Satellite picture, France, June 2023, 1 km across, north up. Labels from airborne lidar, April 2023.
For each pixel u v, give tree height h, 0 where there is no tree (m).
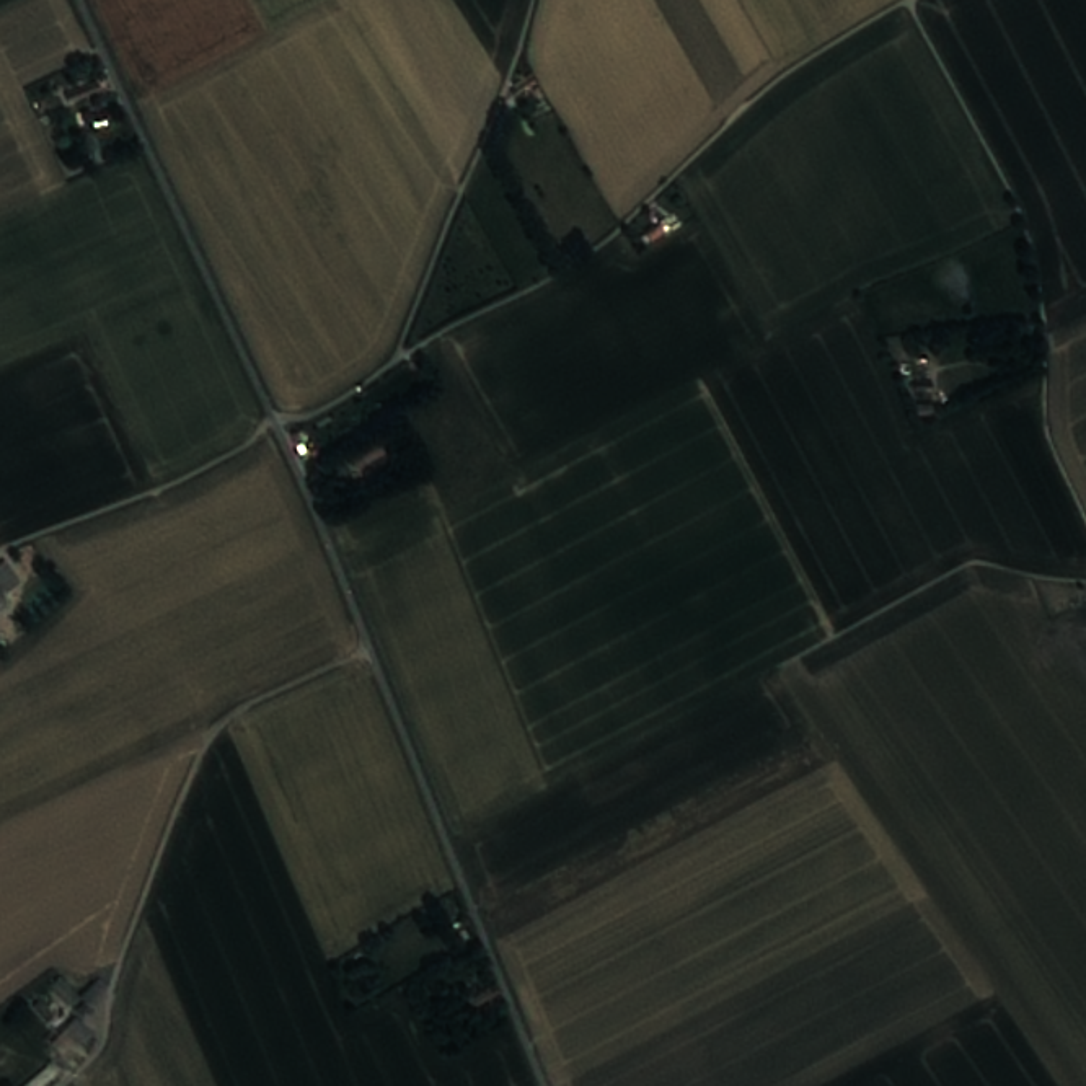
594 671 0
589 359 0
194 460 0
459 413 0
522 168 0
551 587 0
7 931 0
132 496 0
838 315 0
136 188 0
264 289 0
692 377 0
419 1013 13
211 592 0
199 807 0
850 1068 0
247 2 0
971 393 13
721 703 0
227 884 0
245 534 0
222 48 0
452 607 0
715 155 0
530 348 0
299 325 0
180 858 0
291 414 0
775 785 0
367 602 0
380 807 0
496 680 0
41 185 0
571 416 0
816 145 0
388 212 0
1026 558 0
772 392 0
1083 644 0
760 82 0
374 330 0
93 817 0
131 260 0
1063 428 0
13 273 0
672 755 0
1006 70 0
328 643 0
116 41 0
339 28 0
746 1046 0
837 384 0
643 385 0
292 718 0
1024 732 0
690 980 0
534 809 0
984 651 0
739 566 0
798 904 0
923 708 0
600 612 0
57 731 0
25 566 0
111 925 0
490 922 0
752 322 0
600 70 0
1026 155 0
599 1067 0
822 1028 0
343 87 0
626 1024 0
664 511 0
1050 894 0
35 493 0
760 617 0
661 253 0
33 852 0
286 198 0
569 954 0
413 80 0
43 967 0
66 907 0
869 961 0
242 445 0
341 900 0
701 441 0
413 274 0
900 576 0
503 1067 0
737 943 0
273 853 0
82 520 0
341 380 0
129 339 0
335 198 0
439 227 0
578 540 0
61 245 0
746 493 0
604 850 0
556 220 0
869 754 0
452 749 0
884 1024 0
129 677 0
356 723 0
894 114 0
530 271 0
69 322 0
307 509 0
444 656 0
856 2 0
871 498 0
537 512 0
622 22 0
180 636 0
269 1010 0
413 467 29
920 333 12
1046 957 0
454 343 0
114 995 0
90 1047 0
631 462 0
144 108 0
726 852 0
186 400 0
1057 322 0
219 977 0
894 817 0
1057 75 0
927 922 0
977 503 0
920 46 0
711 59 0
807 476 0
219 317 0
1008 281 0
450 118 0
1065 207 0
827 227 0
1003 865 0
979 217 0
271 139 0
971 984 0
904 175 0
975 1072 0
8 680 0
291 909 0
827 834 0
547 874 0
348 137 0
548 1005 0
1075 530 0
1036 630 0
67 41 0
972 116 0
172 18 0
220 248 0
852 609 0
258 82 0
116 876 0
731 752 0
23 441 0
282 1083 0
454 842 0
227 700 0
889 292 0
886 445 0
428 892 0
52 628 0
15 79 0
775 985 0
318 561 0
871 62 0
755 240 0
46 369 0
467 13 0
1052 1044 0
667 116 0
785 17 0
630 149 0
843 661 0
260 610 0
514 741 0
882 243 0
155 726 0
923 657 0
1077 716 0
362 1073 0
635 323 0
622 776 0
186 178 0
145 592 0
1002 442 0
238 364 0
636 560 0
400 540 0
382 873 0
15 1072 0
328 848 0
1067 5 0
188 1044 0
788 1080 0
